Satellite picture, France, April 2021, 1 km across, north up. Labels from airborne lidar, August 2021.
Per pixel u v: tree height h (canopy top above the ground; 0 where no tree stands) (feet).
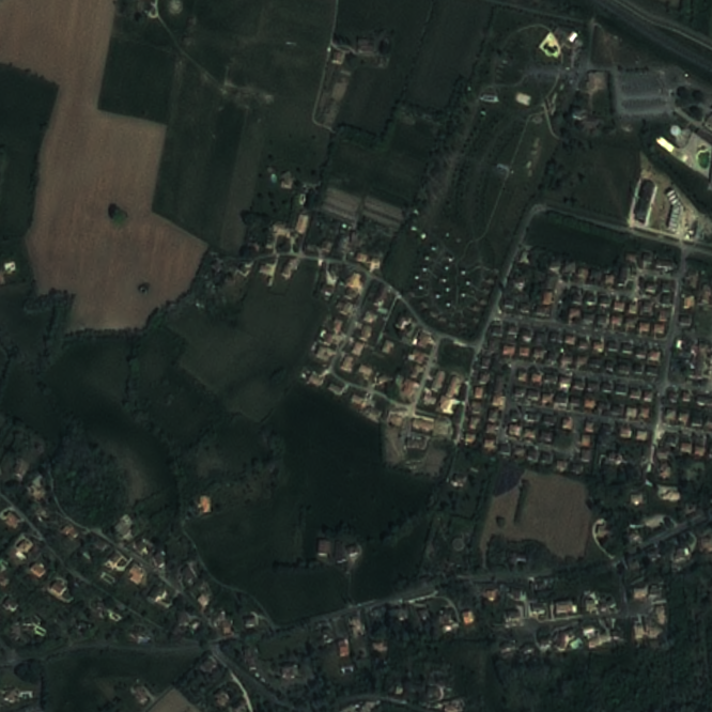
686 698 42
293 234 27
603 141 0
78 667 0
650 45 0
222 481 20
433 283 0
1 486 43
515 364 0
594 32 0
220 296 24
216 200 0
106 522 28
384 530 0
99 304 0
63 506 40
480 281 0
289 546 0
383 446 22
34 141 0
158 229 0
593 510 59
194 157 0
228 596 0
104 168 0
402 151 0
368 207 0
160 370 0
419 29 0
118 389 0
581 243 0
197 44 0
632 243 20
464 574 33
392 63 0
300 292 0
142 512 20
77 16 0
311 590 0
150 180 0
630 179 0
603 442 59
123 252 0
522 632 0
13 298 0
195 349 0
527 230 20
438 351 0
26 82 0
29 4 0
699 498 22
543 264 34
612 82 39
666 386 0
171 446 46
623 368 0
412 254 0
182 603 31
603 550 26
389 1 0
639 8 0
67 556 41
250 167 0
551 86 0
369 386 0
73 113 0
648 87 23
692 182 0
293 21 0
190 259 0
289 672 0
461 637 37
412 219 25
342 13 0
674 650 18
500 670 55
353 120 0
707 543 0
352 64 50
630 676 27
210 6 0
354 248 24
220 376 0
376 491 0
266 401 0
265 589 0
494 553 25
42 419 0
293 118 0
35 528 47
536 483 0
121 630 30
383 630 52
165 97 0
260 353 0
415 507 0
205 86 0
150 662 0
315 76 0
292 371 0
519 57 0
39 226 0
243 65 0
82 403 0
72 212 0
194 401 0
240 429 0
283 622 0
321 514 0
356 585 0
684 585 32
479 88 0
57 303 36
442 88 0
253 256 49
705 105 0
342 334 0
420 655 31
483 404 26
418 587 43
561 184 41
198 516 22
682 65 0
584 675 32
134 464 0
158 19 0
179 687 27
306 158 0
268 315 0
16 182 0
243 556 0
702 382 29
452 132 20
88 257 0
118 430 0
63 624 61
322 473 0
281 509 0
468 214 0
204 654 22
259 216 29
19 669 39
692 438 20
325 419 0
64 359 0
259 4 0
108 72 0
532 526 0
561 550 0
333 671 0
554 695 46
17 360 54
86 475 32
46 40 0
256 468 49
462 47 0
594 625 0
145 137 0
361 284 0
